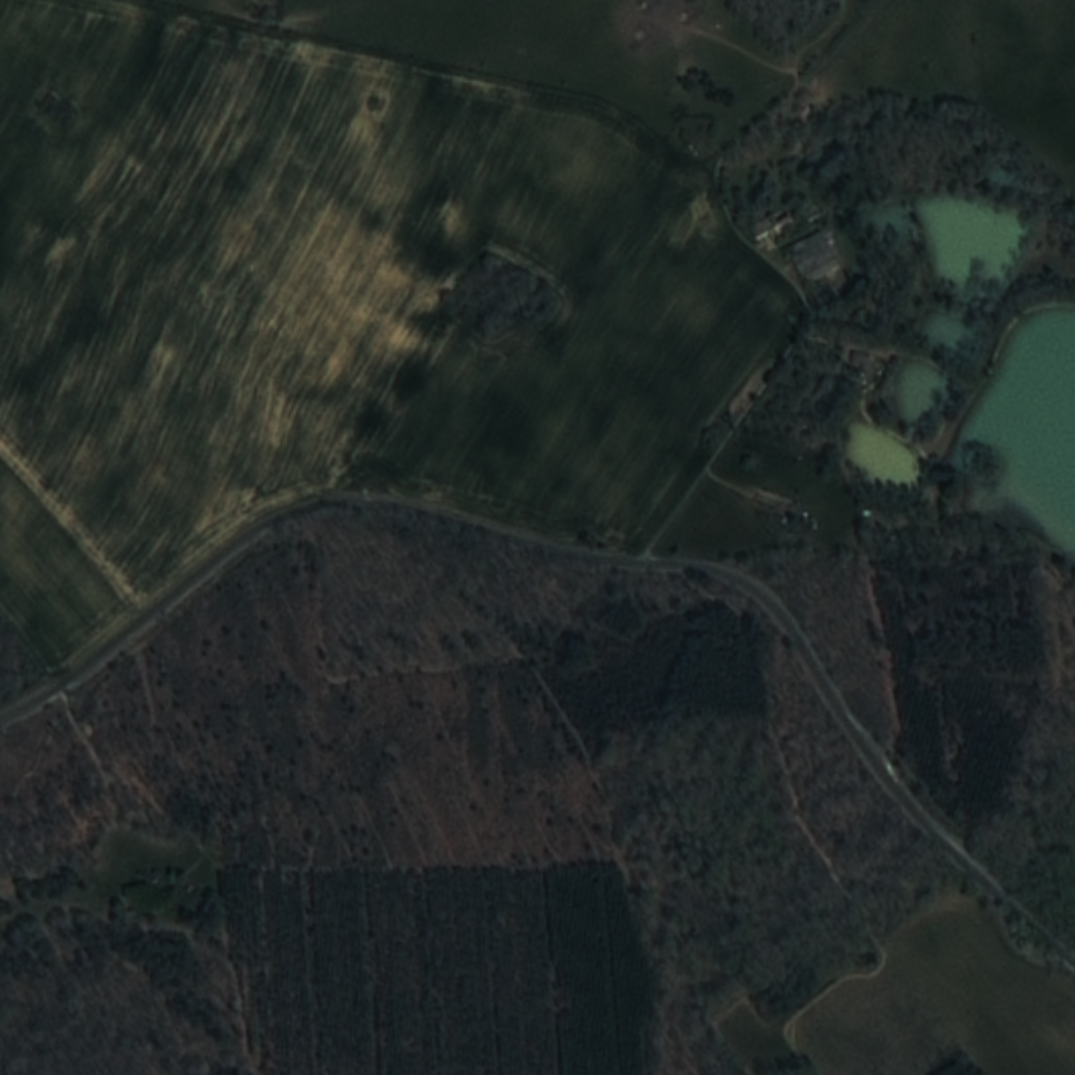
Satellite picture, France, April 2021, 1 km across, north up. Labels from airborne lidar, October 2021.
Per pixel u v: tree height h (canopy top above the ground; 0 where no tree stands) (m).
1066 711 17
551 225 0
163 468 0
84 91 0
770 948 18
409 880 11
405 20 0
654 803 15
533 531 0
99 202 0
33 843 16
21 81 0
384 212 0
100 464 0
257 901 11
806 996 25
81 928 17
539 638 19
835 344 23
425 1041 9
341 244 0
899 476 0
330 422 0
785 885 11
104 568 0
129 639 0
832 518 0
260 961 10
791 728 11
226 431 0
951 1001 0
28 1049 16
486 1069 11
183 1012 20
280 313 0
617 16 0
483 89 0
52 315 0
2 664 13
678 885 9
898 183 18
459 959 12
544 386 0
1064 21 0
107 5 0
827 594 11
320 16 0
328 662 17
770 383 11
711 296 0
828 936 21
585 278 0
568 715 9
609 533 0
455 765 6
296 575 13
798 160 7
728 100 12
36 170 0
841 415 28
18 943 19
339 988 11
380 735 6
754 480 0
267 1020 10
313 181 0
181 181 0
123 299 0
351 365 0
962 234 0
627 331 0
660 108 0
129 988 16
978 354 27
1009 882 26
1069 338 0
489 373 0
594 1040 14
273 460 0
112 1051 11
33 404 0
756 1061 0
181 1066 17
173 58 0
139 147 0
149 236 0
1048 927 26
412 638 17
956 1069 13
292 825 7
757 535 0
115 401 0
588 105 0
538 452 0
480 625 18
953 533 19
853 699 10
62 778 8
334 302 0
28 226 0
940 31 0
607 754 24
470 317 6
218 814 9
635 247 0
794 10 18
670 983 23
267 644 6
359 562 19
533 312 16
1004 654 25
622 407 0
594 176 0
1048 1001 0
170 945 13
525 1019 10
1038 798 25
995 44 0
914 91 0
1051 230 16
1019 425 0
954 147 18
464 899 9
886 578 17
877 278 28
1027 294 20
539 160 0
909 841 12
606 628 21
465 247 0
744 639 17
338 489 0
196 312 0
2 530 0
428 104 0
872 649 8
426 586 19
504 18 0
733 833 24
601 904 16
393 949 12
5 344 0
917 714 10
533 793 6
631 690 8
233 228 0
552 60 0
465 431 0
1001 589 9
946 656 24
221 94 0
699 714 22
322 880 10
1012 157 17
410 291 0
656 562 0
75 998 20
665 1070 12
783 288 0
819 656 17
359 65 0
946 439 0
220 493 0
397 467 0
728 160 16
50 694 0
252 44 0
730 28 0
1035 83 0
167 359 0
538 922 12
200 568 0
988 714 9
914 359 24
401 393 0
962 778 9
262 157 0
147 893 11
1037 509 0
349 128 0
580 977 14
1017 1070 0
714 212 0
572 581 15
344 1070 10
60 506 0
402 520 15
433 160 0
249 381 0
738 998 22
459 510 0
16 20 0
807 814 14
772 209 10
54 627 0
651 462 0
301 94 0
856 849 8
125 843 0
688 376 0
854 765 10
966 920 0
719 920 17
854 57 0
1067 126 0
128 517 0
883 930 16
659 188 0
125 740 9
